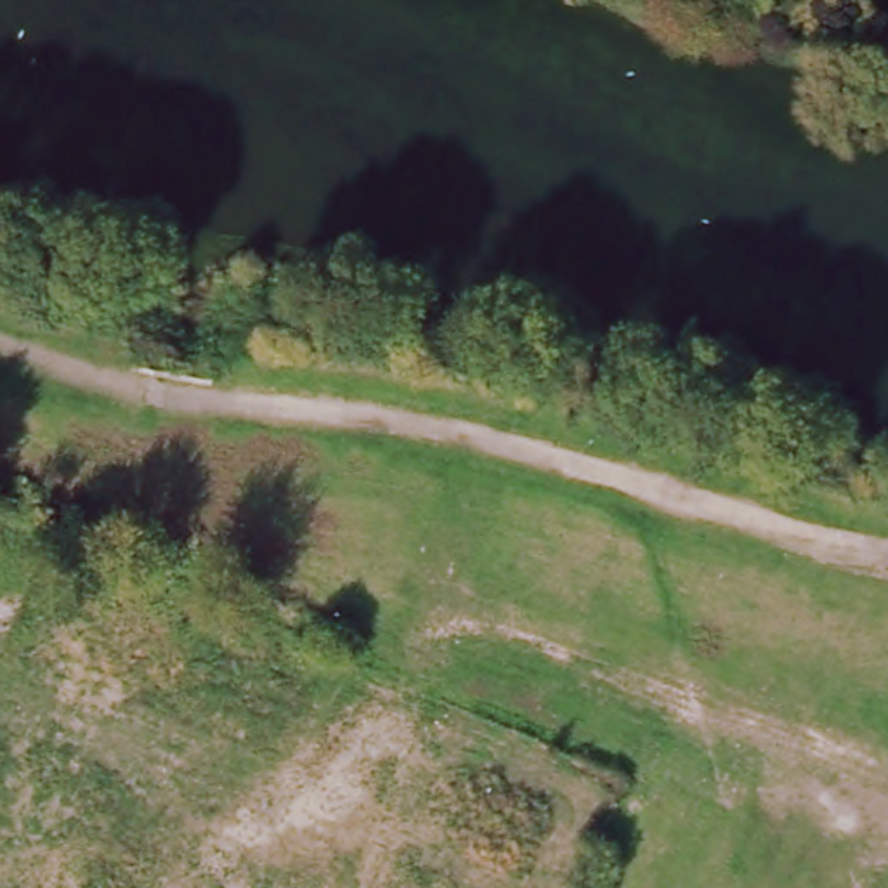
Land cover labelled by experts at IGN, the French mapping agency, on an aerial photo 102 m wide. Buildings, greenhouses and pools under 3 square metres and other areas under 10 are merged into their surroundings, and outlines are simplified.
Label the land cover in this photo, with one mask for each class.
<instances>
[{"label":"herbaceous vegetation","instance_id":"1","mask_svg":"<svg viewBox=\"0 0 888 888\"><path fill-rule=\"evenodd\" d=\"M264 330H253L250 357L225 382H219L222 389L336 395L447 420H472L493 430L538 437L583 454L628 461L649 472H666L690 486L739 496L794 520L888 538V486H878L881 510L874 517L843 513L822 503L833 486L819 479L815 465L805 468L798 486L784 489L763 461L735 465L722 458L715 447H697L694 441H666L663 447H652L645 434H638L628 423V416H617L604 427H597L590 413L569 420V406L583 392L562 389L558 395H538L527 413H520L510 409V399L496 395L482 378L447 375L444 368H437L423 347H395L385 361H336L326 354H309L305 343L278 333V316L260 323ZM59 354H73L101 368H142L146 350L139 333L132 330L114 343H104L94 340L87 330H62L45 343ZM17 482H24L42 496L49 513H56L59 506H76L94 524L111 513H128L135 527L163 531L170 545L229 548L236 552L239 565L267 586L274 604L316 614L347 645L330 663V673L295 666L278 673V680H260L267 645L225 652L215 638L194 631L191 617H177L173 628L146 614H121L108 621L101 614V604L87 600L80 617L69 624L52 628L49 621H38V649L21 645V638L10 631V621L21 611V593L28 590V569L42 558V552L7 555L0 548V888H364L357 881V850L309 857L281 871L257 864L246 846L222 833V826L274 822L281 812L291 808L295 798H302L312 787V780L326 777L330 760L347 746V735L350 728H357L361 715L382 718L385 711H406L413 718L416 742L441 767L413 770L409 784H399L395 760H378L371 774L375 801L389 812H399V819L409 822H430L434 815L447 822L441 839L402 846L395 853V867L385 888H572L569 874L576 864V839L600 808L628 812L638 829V850L628 864V881L621 888H888V871H871L857 860L864 850H871V843L860 833H822L808 812H787L784 819H770L760 805V787H791L805 777H819V784L826 787H833L836 780H853L860 787H871L874 777H888V576L878 579L839 565H822L808 555L784 552L774 541L742 534L735 527L669 517L617 489L576 482L520 461L479 454L458 444H430L371 430H333L309 423H264L215 413L153 409L139 402H121L104 392L66 385L59 378L35 375V368L24 357L0 354V500L14 496ZM479 697L503 701L552 732L572 722V742H593L600 749L631 756L635 777L604 770L583 756H565L520 732L472 718L468 711Z\"/></svg>","mask_w":888,"mask_h":888},{"label":"water","instance_id":"2","mask_svg":"<svg viewBox=\"0 0 888 888\"><path fill-rule=\"evenodd\" d=\"M798 73L791 69L763 59L715 62L704 56H669L649 31L621 17L617 10L604 7L600 0H0V191H14L28 201H38L42 208H62L76 191H87L101 201H167L184 236V284L205 281L208 274L215 278V271L232 257H246L257 264H298L312 253L333 250V243L347 232H361L371 243L378 264H406L430 274L434 295L447 309H458V298L465 291L493 284L500 278H548L565 284L590 309H597L600 326L607 333L617 323L680 330L690 343L701 336L711 347L732 340L742 354H753L770 375H822L829 389L857 416L860 437H888V149L839 160L829 146L812 142L805 125H798L794 118Z\"/></svg>","mask_w":888,"mask_h":888},{"label":"deciduous trees","instance_id":"3","mask_svg":"<svg viewBox=\"0 0 888 888\"><path fill-rule=\"evenodd\" d=\"M604 7L617 10L621 17L649 31L669 56H704L715 62L763 59V14L753 10L756 0H600ZM184 236L167 201H101L87 191H76L62 208H42L38 201H28L14 191H0V333L28 343H45L62 330H87L94 340L104 343H114L132 330L139 333L146 350L142 368L184 371L194 378L219 382H225L250 357L253 330H264L260 323L278 316V333L305 343L309 354H326L336 361H385L395 347H423L437 368H444L447 375L482 378L496 395L510 399V409L520 413H527L538 395H558L562 389L583 392L569 406V420L590 413L597 427H604L617 416H628V423L638 434H645L652 447H663L666 441H694L697 447H715L722 458L735 465L763 461L784 489L798 486L805 468L815 465L819 479L833 486L822 503L843 513L874 517L881 510L878 486H888V437H860L857 416L829 389L822 375H770L753 354H742L732 340L711 347L701 336L690 343L680 330L617 323L607 333L600 326L597 309H590L565 284L548 278H500L493 284L465 291L458 298V309H447L434 295L430 274L406 264H378L371 243L361 232H347L333 243V250L312 253L298 264H257L246 257H232L215 271V278L208 274L205 281L184 284ZM0 548L7 555L42 552L56 555V565L73 576V593L87 600L101 604V614L108 621L121 614H146L173 628L177 617H191L194 631L215 638L225 652L267 645L260 680H278V673L295 666L330 673V663L347 645L316 614L274 604L267 586L239 565L236 552L229 548L170 545L163 531L135 527L128 513H111L94 524L76 506H59L56 513H49L42 496L24 482H17L14 496L0 500Z\"/></svg>","mask_w":888,"mask_h":888},{"label":"impervious surface","instance_id":"4","mask_svg":"<svg viewBox=\"0 0 888 888\"><path fill-rule=\"evenodd\" d=\"M0 354L24 357L35 368V375L59 378L66 385L104 392L121 402H139L153 409L215 413L264 423H309L333 430H371L430 444H458L479 454L520 461L576 482L617 489L669 517L735 527L742 534L774 541L784 552L808 555L822 565H839L878 579L888 576V538L794 520L739 496L690 486L666 472H649L628 461L583 454L538 437L493 430L472 420H447L336 395L222 389L219 382L194 378L184 371L142 368H101L73 354H59L45 343H28L0 333Z\"/></svg>","mask_w":888,"mask_h":888},{"label":"bare soil","instance_id":"5","mask_svg":"<svg viewBox=\"0 0 888 888\"><path fill-rule=\"evenodd\" d=\"M395 760L399 784H409L413 770L441 767L416 742L413 718L406 711H385L382 718L361 715L357 728H350L347 735V746L330 760L326 777L312 780V787L302 798H295L291 808L281 812L274 822L222 826V833L246 846L257 864L281 871L309 857L357 850V881L364 888H385L395 867V853L402 846L441 839L447 822L434 815L430 822H409L399 819V812H389L375 801L371 774L378 760ZM760 805L770 819H784L787 812H808L822 833H860L871 843V850H864L857 860L871 871H888V777H874L871 787H860L853 780H836L833 787H826L819 784V777H805L791 787H760Z\"/></svg>","mask_w":888,"mask_h":888},{"label":"brushwood","instance_id":"6","mask_svg":"<svg viewBox=\"0 0 888 888\"><path fill-rule=\"evenodd\" d=\"M753 10L763 14V59L791 69L801 49L874 45L888 56V0H756ZM87 600L73 593V576L56 565V555L42 552V558L28 569V590L21 593V611L10 621V631L21 638V645L38 649V621H49L52 628L69 624L80 617ZM472 718L520 732L565 756H583L604 770L635 777L631 756L600 749L593 742H572V722L552 732L503 701L479 697L468 711ZM638 850V829L628 812L600 808L576 839V864L569 874L572 888H621L628 881V864Z\"/></svg>","mask_w":888,"mask_h":888},{"label":"coniferous trees","instance_id":"7","mask_svg":"<svg viewBox=\"0 0 888 888\"><path fill-rule=\"evenodd\" d=\"M791 69L798 73L794 118L798 125H805L812 142L829 146L839 160L888 149V56L874 45L801 49Z\"/></svg>","mask_w":888,"mask_h":888}]
</instances>
